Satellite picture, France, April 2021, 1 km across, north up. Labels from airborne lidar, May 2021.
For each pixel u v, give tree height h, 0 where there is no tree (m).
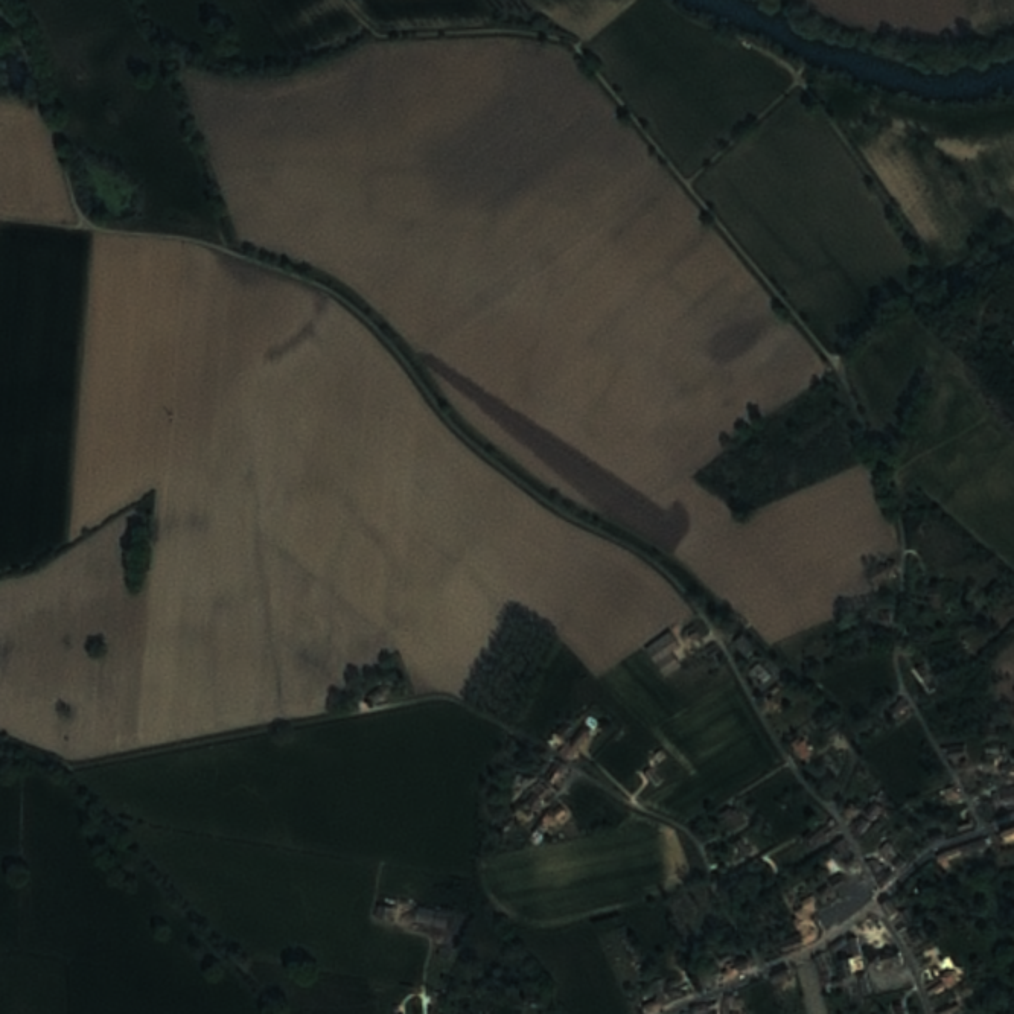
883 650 19
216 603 0
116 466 0
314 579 0
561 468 0
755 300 0
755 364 0
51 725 0
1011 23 0
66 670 0
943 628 10
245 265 0
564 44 10
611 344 0
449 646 0
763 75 0
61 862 0
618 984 0
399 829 0
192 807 0
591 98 0
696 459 0
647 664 0
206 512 0
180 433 0
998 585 9
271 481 0
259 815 0
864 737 6
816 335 0
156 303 0
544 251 0
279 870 0
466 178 0
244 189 0
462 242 0
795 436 13
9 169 0
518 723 20
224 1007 0
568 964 0
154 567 0
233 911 0
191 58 14
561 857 0
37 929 0
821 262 0
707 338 0
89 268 0
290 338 0
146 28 10
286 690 0
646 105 0
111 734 0
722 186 0
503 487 0
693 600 18
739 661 12
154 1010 0
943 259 0
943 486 0
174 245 0
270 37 0
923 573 7
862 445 20
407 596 0
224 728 0
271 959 0
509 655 25
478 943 0
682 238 0
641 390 0
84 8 0
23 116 0
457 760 0
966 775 5
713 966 18
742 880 16
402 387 0
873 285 0
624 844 0
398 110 0
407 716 0
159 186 0
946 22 0
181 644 0
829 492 0
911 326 0
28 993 0
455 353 0
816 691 14
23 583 0
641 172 0
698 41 0
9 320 0
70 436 0
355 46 8
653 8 0
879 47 12
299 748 0
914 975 0
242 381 0
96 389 0
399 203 0
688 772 0
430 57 0
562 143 0
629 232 0
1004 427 0
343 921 0
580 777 0
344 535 0
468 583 0
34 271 0
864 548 0
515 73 0
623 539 0
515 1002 8
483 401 0
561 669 0
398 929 0
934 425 0
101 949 0
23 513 0
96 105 0
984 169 0
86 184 12
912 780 0
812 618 0
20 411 0
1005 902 16
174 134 0
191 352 0
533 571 0
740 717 0
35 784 0
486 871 0
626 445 0
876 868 0
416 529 0
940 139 0
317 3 0
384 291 0
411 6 0
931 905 11
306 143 0
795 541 0
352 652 0
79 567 0
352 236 0
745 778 0
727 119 0
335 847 0
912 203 0
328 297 0
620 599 0
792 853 0
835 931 0
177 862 0
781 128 0
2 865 0
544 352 0
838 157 0
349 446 0
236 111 0
